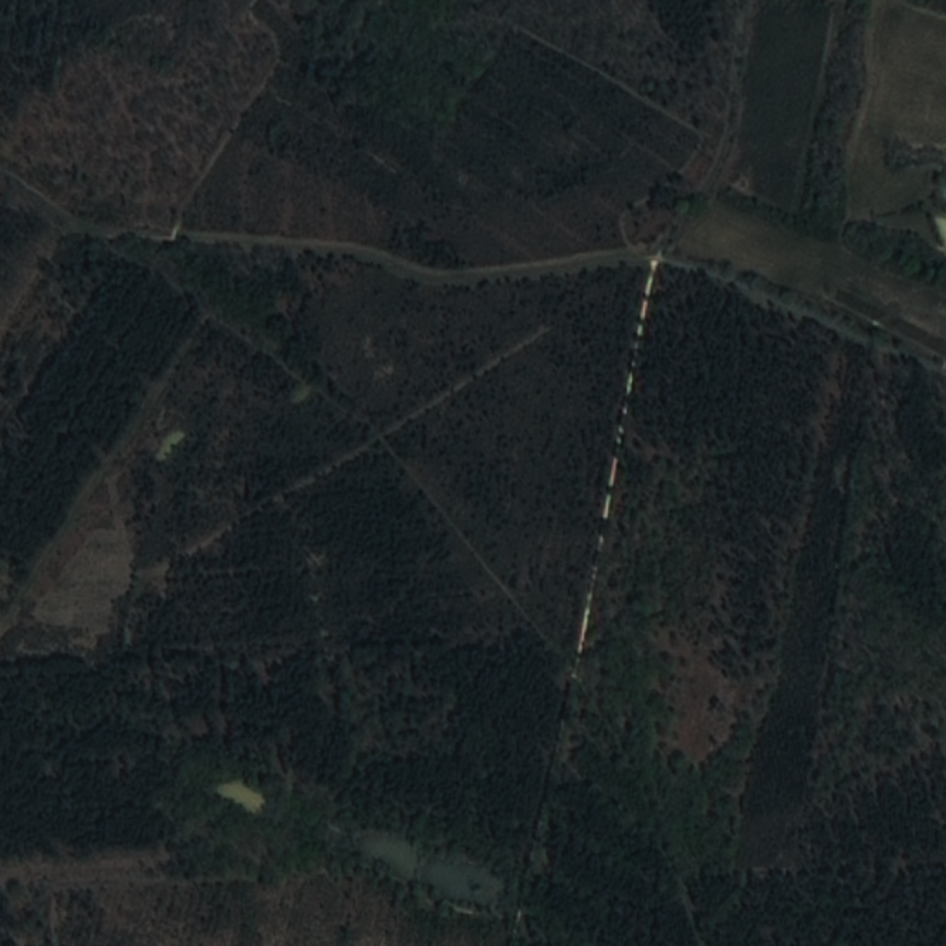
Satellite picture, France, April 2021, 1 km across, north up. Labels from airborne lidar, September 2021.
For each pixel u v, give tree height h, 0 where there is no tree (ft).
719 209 0
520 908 36
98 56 34
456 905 24
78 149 33
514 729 67
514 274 0
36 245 68
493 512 28
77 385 75
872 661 54
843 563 51
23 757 48
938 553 58
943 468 55
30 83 44
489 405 21
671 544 26
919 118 0
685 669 45
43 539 65
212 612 23
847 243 18
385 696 47
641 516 38
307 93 22
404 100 65
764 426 58
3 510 67
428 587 26
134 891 28
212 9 28
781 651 35
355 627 28
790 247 0
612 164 27
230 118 21
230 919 22
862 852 34
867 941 71
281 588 35
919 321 0
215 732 61
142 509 38
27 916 38
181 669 62
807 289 0
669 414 63
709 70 28
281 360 48
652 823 36
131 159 36
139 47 20
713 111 34
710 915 48
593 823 67
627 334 36
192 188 20
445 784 58
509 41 29
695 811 59
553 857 65
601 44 42
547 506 24
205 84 26
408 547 36
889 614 56
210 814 76
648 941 62
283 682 62
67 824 62
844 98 51
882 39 0
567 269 0
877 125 0
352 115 30
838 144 26
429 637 43
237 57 32
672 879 73
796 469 59
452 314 28
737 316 64
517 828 46
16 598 38
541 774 62
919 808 37
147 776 59
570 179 25
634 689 69
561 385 24
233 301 58
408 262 18
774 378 64
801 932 54
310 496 26
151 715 72
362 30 26
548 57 28
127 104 23
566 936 57
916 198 0
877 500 47
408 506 26
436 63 65
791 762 30
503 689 51
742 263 0
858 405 28
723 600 0
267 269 44
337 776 58
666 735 65
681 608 46
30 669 62
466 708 58
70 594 0
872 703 37
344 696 56
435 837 57
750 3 32
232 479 31
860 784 54
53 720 51
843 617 32
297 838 47
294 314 29
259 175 23
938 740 70
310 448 32
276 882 46
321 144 28
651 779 51
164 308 68
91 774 72
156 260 61
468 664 42
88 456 72
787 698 20
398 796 71
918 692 43
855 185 0
